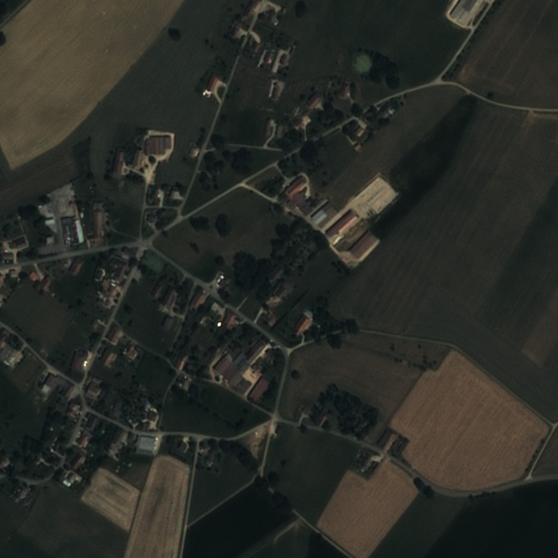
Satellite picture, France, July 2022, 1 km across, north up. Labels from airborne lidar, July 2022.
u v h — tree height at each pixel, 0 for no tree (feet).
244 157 69
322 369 0
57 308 0
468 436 0
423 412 0
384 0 0
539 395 0
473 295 0
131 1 0
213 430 0
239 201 0
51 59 0
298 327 0
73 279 0
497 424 0
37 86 0
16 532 0
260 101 0
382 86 0
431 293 0
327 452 0
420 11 0
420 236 0
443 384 0
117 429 37
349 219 0
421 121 0
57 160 0
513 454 0
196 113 0
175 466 0
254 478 0
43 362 0
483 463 0
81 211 22
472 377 0
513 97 0
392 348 24
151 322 0
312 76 0
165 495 0
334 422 0
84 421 18
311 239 23
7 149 0
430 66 0
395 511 0
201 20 0
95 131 0
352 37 0
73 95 0
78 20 0
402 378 0
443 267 0
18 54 0
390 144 0
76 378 0
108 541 0
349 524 0
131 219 0
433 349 0
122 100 0
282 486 0
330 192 0
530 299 0
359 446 0
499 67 0
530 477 0
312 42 0
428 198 0
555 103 0
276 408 0
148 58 0
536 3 0
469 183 0
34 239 0
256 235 0
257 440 0
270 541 0
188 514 0
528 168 0
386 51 0
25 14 0
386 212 0
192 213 0
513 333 0
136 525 0
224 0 0
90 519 0
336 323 22
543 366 0
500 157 0
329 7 0
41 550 0
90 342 19
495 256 0
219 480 0
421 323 0
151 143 0
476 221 0
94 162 0
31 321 0
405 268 0
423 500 0
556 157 0
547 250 0
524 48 0
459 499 0
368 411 24
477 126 0
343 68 0
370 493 0
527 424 0
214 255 0
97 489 0
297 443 0
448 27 0
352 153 0
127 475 0
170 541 0
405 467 0
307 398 0
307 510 0
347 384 0
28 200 0
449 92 0
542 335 0
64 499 0
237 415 0
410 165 0
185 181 0
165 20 0
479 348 0
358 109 54
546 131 0
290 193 0
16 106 0
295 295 0
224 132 0
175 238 0
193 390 41
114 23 0
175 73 0
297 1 0
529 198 0
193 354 31
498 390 0
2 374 0
